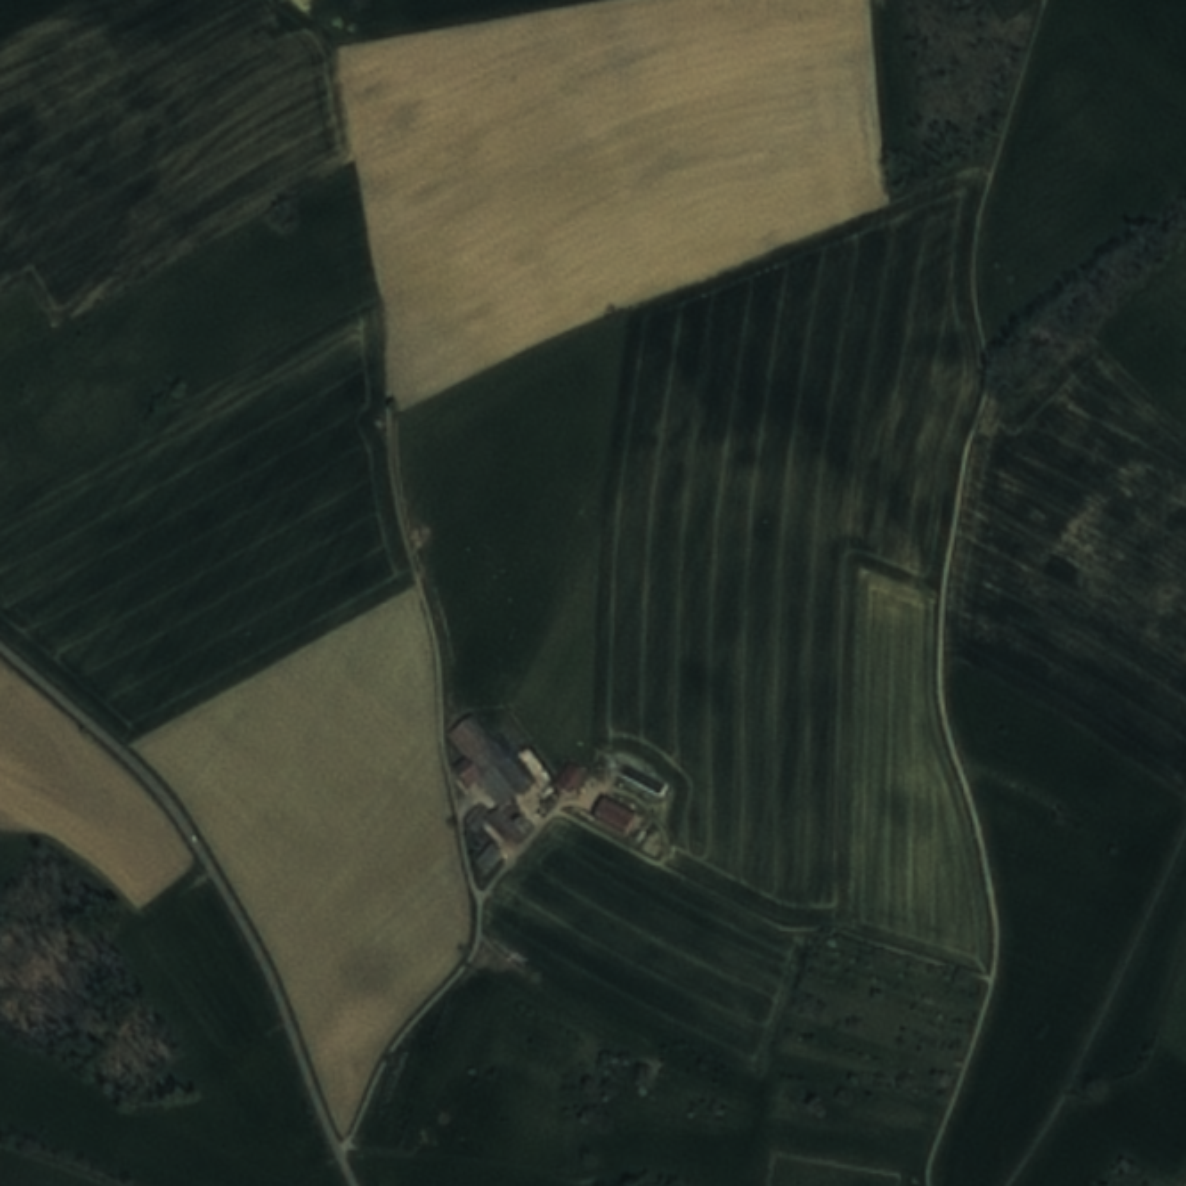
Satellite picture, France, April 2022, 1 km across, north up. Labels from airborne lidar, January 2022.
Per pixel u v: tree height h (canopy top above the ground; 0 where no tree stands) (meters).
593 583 0
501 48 0
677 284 0
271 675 0
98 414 0
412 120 0
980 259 0
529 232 0
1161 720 0
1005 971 0
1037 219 0
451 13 0
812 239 0
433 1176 0
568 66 0
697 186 0
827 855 0
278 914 0
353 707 0
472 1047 0
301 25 0
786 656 0
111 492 0
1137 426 0
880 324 0
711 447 0
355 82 0
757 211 0
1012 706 0
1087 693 0
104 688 0
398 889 0
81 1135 0
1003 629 0
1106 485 0
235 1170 0
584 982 0
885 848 0
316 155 0
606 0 0
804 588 0
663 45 0
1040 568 0
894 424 0
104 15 0
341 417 0
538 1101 0
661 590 0
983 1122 0
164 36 0
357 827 0
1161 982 0
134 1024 7
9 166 0
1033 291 0
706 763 0
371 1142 0
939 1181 0
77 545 0
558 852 0
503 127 0
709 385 0
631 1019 0
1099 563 0
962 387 0
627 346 0
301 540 0
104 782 0
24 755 0
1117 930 0
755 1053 0
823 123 0
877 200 0
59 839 0
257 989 0
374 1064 0
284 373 0
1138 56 0
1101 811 0
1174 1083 0
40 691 0
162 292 0
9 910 24
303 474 0
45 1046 23
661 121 0
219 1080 0
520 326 0
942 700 0
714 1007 0
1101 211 0
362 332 0
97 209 0
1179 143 0
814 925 0
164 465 0
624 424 0
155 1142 0
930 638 0
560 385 0
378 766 0
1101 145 0
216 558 0
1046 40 0
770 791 0
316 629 0
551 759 0
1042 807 0
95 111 0
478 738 0
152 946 0
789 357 0
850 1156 0
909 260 0
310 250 0
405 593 0
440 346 0
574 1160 0
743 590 0
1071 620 0
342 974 0
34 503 0
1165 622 0
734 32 0
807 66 0
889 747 0
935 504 0
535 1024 0
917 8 0
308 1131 0
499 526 0
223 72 0
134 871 0
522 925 0
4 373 0
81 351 0
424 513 0
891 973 0
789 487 0
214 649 0
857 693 0
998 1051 0
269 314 0
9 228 0
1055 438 0
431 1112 0
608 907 0
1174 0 0
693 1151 0
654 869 0
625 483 0
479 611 0
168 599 0
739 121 0
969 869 0
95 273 0
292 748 0
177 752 0
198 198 0
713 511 0
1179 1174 0
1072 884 0
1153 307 0
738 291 0
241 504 0
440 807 0
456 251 0
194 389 0
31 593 0
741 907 0
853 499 0
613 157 0
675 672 0
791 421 0
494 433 0
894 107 0
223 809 0
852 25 0
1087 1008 0
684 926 0
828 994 0
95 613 0
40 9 0
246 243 0
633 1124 0
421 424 0
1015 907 0
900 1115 0
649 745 0
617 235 0
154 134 0
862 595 0
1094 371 0
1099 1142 0
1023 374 22
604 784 0
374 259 0
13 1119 0
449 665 0
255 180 0
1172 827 0
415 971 0
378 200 0
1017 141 0
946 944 0
